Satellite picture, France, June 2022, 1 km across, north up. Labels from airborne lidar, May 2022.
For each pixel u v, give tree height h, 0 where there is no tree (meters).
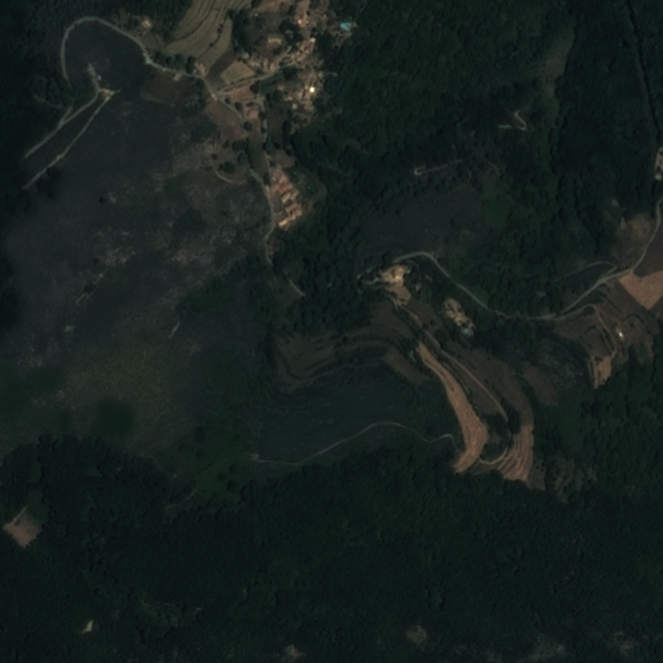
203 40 0
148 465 16
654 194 11
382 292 6
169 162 0
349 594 23
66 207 0
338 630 24
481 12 15
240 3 0
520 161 17
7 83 23
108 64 0
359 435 0
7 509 14
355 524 16
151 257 0
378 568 20
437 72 15
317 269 11
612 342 0
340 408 0
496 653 7
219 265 0
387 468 8
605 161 12
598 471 8
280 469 0
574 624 12
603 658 7
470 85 20
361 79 9
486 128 9
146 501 17
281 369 0
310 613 22
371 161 15
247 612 17
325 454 0
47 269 0
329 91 13
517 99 11
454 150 12
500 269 11
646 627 19
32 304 0
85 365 0
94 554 13
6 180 13
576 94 29
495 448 0
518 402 0
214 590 17
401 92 11
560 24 17
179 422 0
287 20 8
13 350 0
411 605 22
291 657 6
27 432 0
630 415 17
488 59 7
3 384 0
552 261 8
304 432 0
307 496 19
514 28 13
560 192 11
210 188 0
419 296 6
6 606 25
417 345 8
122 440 0
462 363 0
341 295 12
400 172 13
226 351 0
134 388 0
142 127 0
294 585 15
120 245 0
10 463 17
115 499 19
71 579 21
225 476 11
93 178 0
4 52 14
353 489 18
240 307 0
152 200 0
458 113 10
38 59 12
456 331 13
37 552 14
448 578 23
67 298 0
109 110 0
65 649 17
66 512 22
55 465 20
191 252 0
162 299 0
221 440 0
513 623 17
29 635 22
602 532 13
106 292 0
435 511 14
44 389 0
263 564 17
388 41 15
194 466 0
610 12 18
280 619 18
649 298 0
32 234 0
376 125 13
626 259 0
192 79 6
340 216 24
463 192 0
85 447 16
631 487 10
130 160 0
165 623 7
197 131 0
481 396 0
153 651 15
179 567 17
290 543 16
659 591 17
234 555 20
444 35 22
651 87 17
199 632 13
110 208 0
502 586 26
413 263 6
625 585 18
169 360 0
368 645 13
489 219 0
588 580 16
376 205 9
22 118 20
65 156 0
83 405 0
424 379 0
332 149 19
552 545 21
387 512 16
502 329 11
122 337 0
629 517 15
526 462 0
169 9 11
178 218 0
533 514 12
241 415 0
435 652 15
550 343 0
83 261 0
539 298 11
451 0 13
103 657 14
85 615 13
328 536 16
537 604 21
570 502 10
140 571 21
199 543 23
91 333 0
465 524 18
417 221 0
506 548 22
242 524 25
